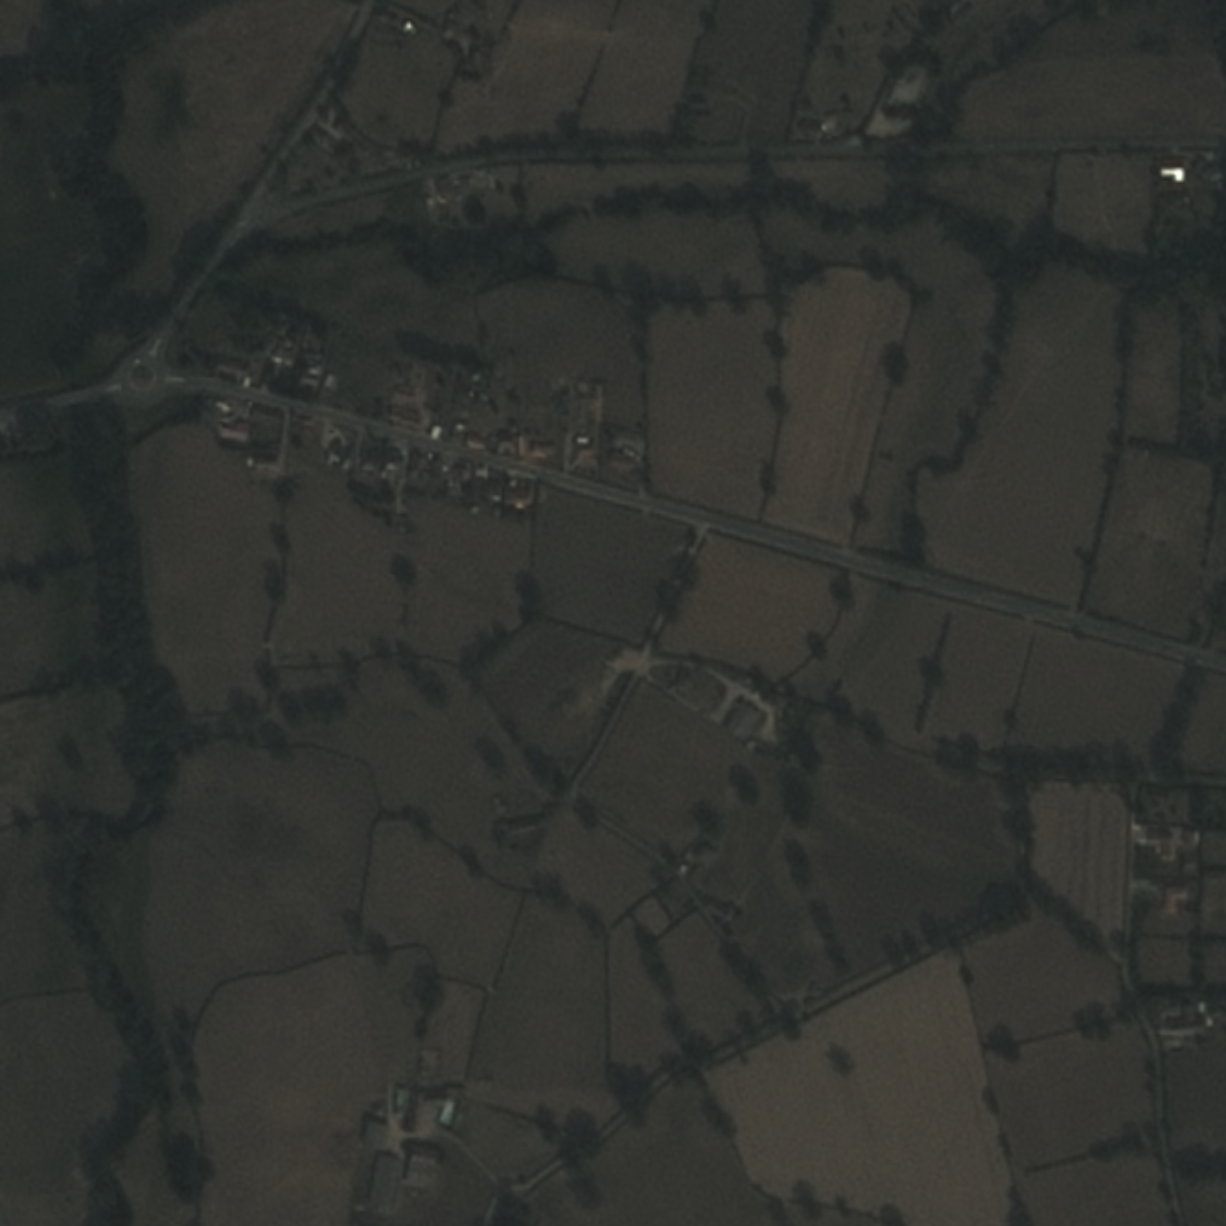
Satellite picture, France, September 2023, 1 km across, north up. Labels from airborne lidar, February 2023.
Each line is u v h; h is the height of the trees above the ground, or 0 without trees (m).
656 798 0
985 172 0
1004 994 0
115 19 23
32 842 0
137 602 13
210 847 0
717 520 0
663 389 0
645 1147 0
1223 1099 0
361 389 0
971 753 17
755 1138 0
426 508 0
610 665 0
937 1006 0
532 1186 0
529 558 0
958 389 0
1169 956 0
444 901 0
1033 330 0
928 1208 0
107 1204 15
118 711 0
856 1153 0
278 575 16
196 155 0
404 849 0
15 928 0
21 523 0
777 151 0
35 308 0
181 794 0
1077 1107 0
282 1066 0
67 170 18
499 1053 0
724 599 0
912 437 0
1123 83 0
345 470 0
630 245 0
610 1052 0
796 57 0
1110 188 0
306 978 0
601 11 0
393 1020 0
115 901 0
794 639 0
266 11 0
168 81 0
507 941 0
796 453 0
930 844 0
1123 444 10
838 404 0
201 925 0
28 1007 0
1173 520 0
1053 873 0
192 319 0
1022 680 0
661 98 0
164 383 0
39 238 0
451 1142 0
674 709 0
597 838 0
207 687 0
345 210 0
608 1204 0
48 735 0
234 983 0
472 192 0
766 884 0
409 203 0
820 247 0
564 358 0
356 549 0
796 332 0
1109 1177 0
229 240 0
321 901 0
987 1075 0
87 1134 0
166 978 0
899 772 0
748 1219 0
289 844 0
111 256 16
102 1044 0
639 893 0
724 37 0
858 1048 0
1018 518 0
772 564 0
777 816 0
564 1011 0
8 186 0
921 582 0
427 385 0
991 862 0
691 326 0
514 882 0
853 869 0
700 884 0
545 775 20
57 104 0
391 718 0
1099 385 0
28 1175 0
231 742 17
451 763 0
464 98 0
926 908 0
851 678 0
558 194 0
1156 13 0
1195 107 0
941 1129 0
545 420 0
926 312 0
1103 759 19
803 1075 0
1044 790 0
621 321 0
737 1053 20
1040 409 0
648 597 0
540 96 0
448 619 0
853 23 0
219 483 0
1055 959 0
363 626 0
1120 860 0
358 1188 0
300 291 0
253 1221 0
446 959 0
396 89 0
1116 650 0
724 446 0
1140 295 22
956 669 0
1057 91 0
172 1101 8
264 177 0
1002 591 0
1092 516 0
